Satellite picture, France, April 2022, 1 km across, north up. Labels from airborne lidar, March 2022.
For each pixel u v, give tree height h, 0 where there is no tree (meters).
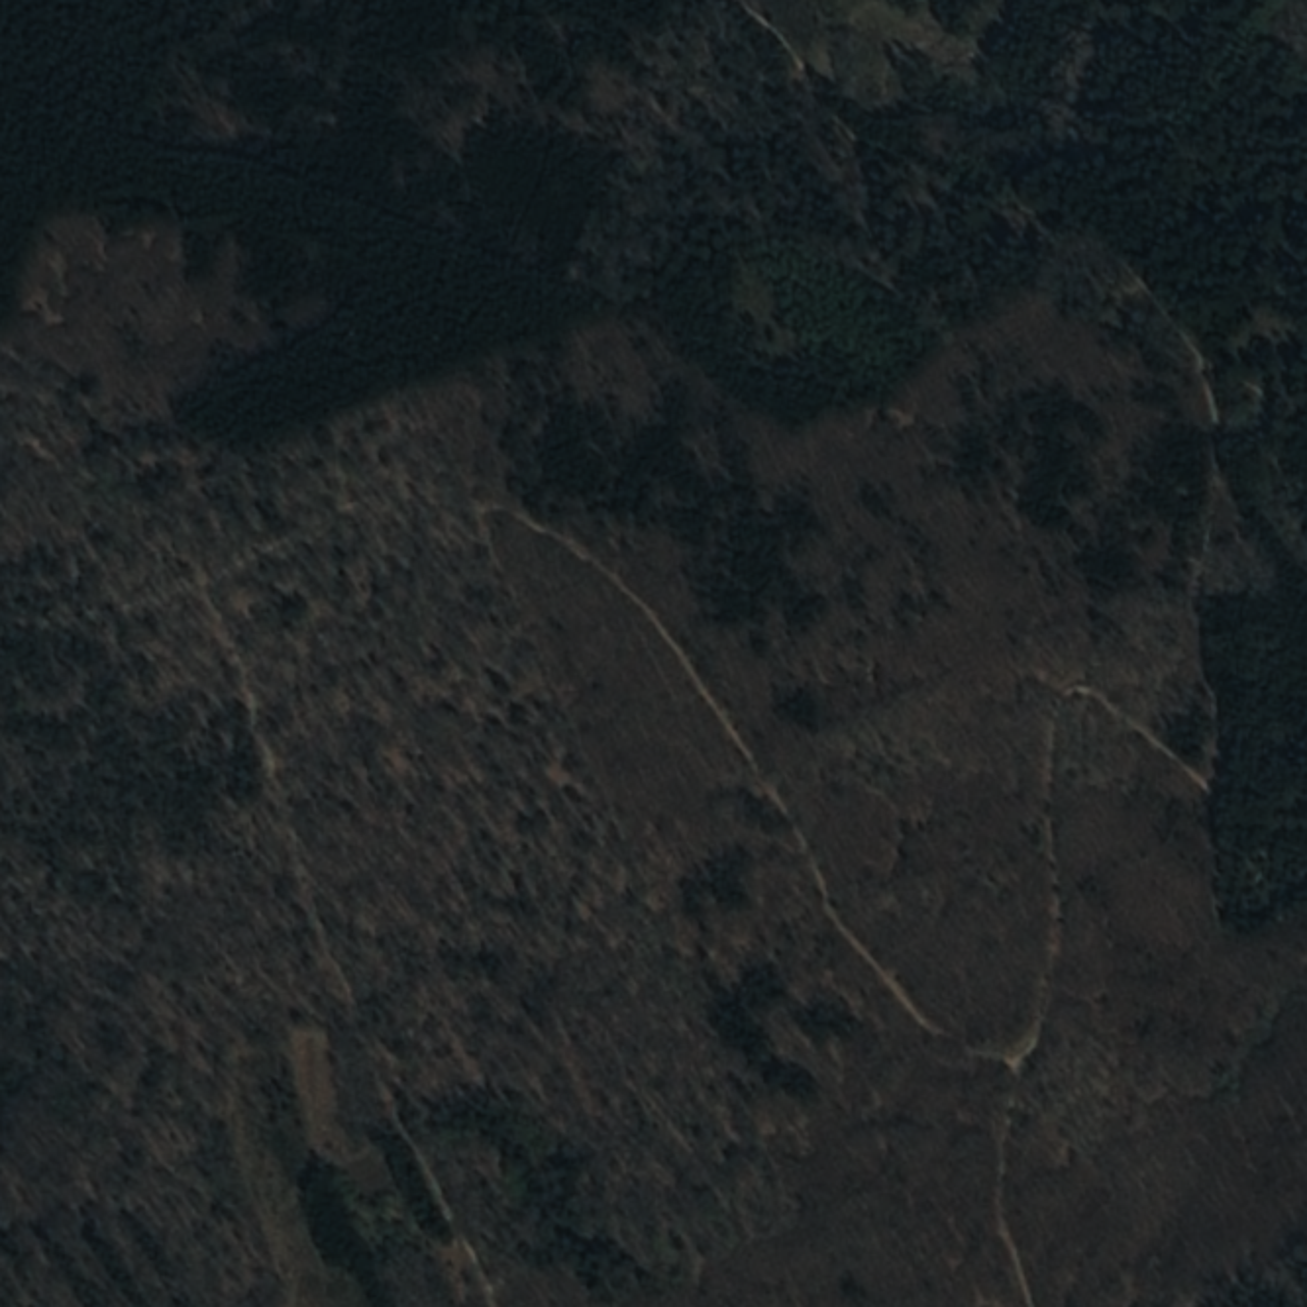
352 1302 0
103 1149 28
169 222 25
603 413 13
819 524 16
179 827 18
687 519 14
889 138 16
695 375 14
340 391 27
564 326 28
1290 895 10
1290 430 37
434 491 27
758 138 28
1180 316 34
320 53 19
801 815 20
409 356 29
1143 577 13
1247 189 15
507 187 16
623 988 22
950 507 18
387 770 24
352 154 16
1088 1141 25
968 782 19
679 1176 26
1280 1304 22
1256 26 32
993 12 28
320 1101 0
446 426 16
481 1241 21
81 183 28
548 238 15
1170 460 16
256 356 11
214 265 14
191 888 23
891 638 12
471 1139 27
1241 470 31
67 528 21
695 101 23
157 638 23
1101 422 16
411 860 29
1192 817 8
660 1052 26
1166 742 21
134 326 10
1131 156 47
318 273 18
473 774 27
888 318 22
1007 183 14
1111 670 21
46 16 28
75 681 23
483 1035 25
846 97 19
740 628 16
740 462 18
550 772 26
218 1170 24
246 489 25
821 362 23
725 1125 28
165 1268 25
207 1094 27
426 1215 18
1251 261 49
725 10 22
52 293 8
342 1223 14
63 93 21
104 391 25
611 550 14
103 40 25
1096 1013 10
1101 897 9
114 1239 23
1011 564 10
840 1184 12
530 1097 26
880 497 15
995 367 14
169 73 25
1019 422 16
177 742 23
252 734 23
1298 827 29
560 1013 29
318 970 26
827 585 14
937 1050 20
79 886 21
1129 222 48
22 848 23
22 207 27
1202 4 37
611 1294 27
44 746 20
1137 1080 21
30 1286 22
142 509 27
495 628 25
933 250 20
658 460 17
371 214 30
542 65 13
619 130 13
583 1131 29
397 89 10
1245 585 23
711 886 22
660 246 27
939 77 16
